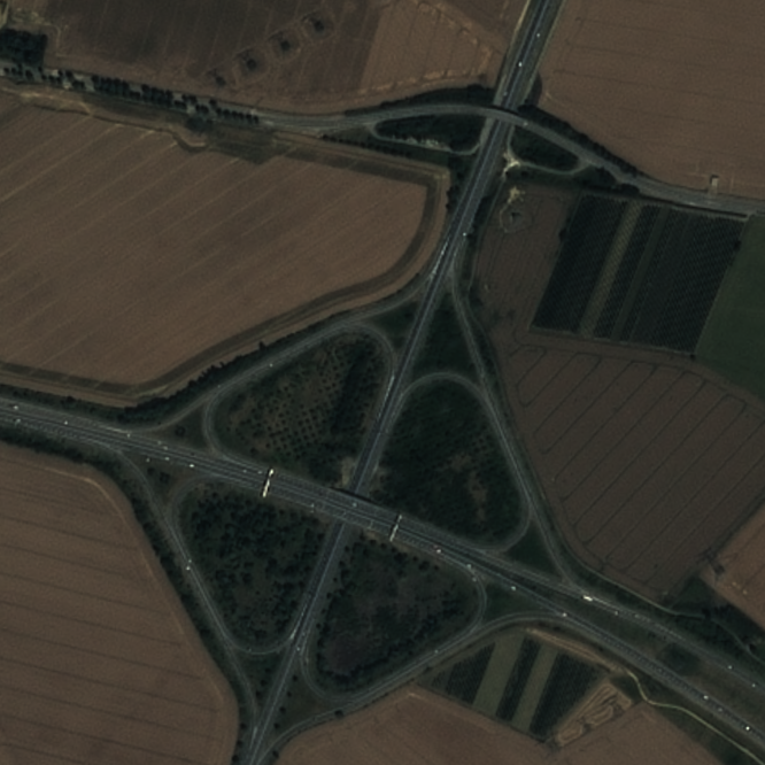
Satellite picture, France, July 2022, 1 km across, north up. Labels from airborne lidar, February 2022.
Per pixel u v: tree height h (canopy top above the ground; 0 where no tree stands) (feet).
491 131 0
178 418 0
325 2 0
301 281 0
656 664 0
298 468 0
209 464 0
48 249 0
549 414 0
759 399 0
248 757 0
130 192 0
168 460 0
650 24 0
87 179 0
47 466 0
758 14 0
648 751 0
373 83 0
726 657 0
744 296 0
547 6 0
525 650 0
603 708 0
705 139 0
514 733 0
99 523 0
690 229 0
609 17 0
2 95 0
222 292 0
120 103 0
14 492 0
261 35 0
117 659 0
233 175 0
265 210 0
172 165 0
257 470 0
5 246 0
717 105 0
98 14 0
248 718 0
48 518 0
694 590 0
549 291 0
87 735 0
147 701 0
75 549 0
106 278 0
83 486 0
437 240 0
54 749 0
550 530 0
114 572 0
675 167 0
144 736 0
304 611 0
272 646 0
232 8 0
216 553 0
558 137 0
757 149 0
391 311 0
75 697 0
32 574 0
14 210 0
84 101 0
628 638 0
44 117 0
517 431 0
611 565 0
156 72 0
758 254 0
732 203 0
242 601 0
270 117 0
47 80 23
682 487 0
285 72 0
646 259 0
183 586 0
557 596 0
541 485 0
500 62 0
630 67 0
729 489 0
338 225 0
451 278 0
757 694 0
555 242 0
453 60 0
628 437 0
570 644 0
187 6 0
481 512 0
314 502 0
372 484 0
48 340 0
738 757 0
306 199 0
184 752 0
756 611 0
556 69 0
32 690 0
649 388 0
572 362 0
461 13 0
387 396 0
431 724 0
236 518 35
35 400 0
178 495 0
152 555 0
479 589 0
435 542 0
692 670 0
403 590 0
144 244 0
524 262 0
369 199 0
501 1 0
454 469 0
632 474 0
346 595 47
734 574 0
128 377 0
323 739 0
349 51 0
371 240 0
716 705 0
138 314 0
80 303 0
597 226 0
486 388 0
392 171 0
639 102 0
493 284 0
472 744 0
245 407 0
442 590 0
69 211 0
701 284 0
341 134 0
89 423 0
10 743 0
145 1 0
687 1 0
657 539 0
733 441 0
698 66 0
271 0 0
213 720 0
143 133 0
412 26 0
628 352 0
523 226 0
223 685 0
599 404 0
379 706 0
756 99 0
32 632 0
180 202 0
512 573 0
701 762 0
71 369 0
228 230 0
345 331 0
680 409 0
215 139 0
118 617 0
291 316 0
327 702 0
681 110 0
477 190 0
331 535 0
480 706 0
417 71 0
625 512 0
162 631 0
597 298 0
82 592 0
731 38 0
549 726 0
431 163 0
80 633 0
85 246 0
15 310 0
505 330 0
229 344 0
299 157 0
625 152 0
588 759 0
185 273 0
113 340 0
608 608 0
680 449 0
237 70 0
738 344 0
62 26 0
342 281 0
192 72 0
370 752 0
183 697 0
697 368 0
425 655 0
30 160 0
